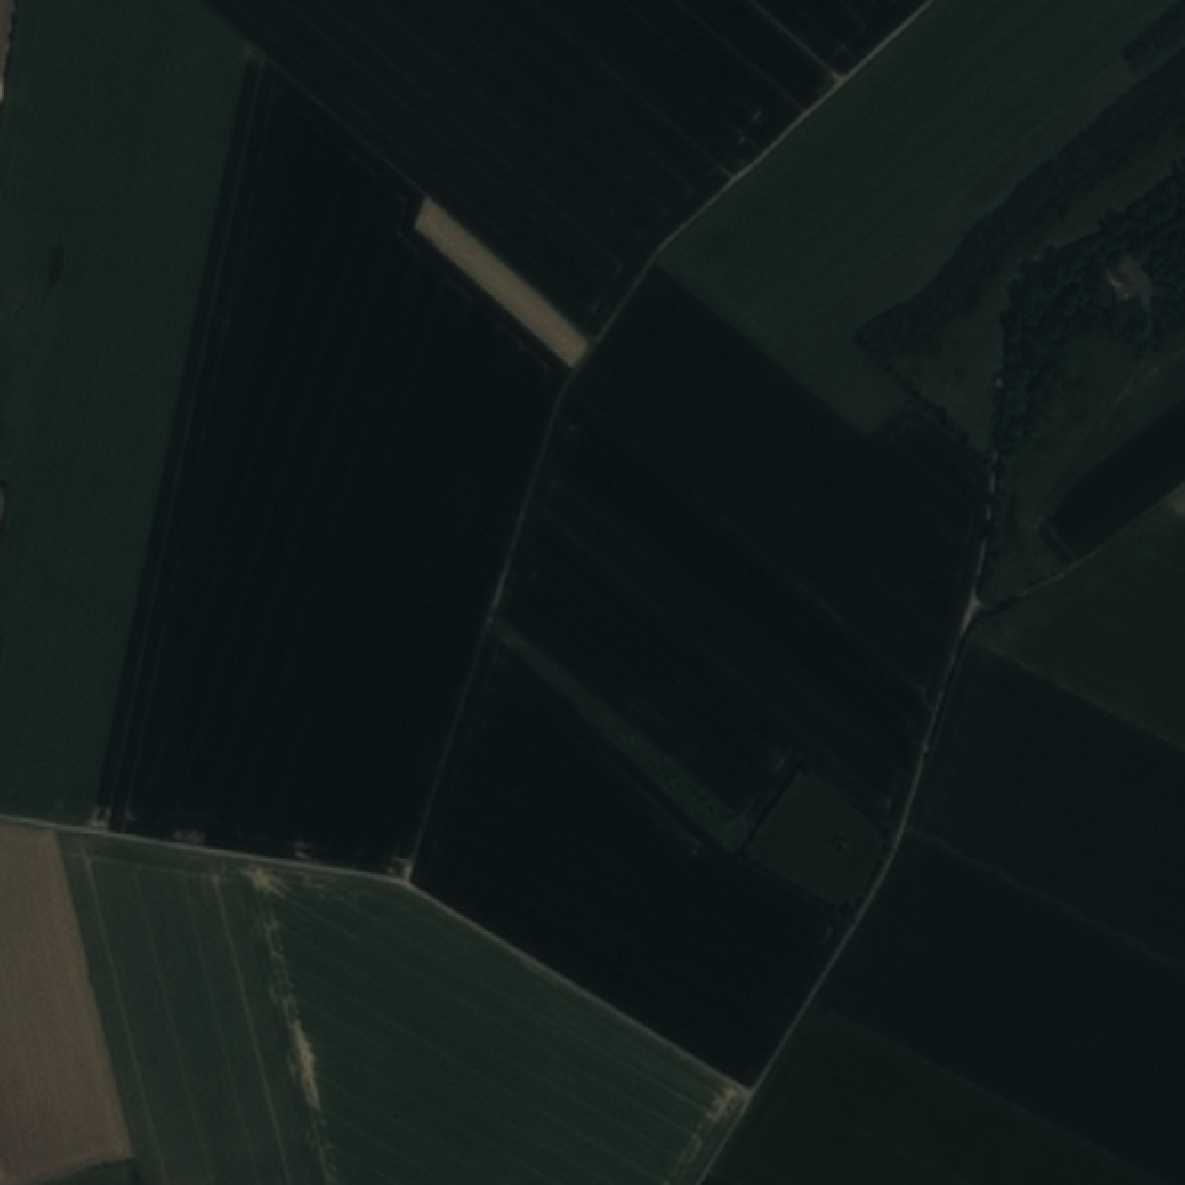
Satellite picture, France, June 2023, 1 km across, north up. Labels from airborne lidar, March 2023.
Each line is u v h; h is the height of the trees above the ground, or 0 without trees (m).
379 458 0
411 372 0
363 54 0
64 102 0
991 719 0
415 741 0
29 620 0
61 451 0
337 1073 0
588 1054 0
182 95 0
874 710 0
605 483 0
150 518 0
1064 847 0
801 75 0
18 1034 0
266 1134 0
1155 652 0
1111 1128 0
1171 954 0
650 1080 0
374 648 0
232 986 0
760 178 0
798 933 0
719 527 0
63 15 0
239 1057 0
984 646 0
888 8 0
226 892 0
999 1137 0
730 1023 0
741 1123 0
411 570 0
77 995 0
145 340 0
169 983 0
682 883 0
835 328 0
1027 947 0
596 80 0
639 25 0
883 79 0
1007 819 0
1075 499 0
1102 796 0
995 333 0
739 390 0
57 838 0
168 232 0
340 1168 0
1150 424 0
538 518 0
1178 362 0
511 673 0
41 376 0
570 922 0
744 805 0
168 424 0
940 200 0
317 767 0
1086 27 0
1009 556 0
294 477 0
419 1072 0
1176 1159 0
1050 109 0
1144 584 0
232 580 0
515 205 0
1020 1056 0
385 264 0
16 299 0
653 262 0
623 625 0
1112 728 0
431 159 0
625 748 0
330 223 0
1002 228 24
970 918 0
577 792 0
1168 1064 0
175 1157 0
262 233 0
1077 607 0
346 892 0
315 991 0
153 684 0
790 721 0
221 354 0
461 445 0
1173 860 0
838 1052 0
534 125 0
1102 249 10
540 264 0
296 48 0
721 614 0
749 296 0
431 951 0
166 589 0
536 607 0
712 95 0
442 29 0
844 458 0
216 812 0
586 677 0
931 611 0
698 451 0
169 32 0
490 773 0
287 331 0
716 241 0
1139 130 21
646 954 0
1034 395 24
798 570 0
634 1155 0
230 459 0
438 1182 0
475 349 0
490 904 0
